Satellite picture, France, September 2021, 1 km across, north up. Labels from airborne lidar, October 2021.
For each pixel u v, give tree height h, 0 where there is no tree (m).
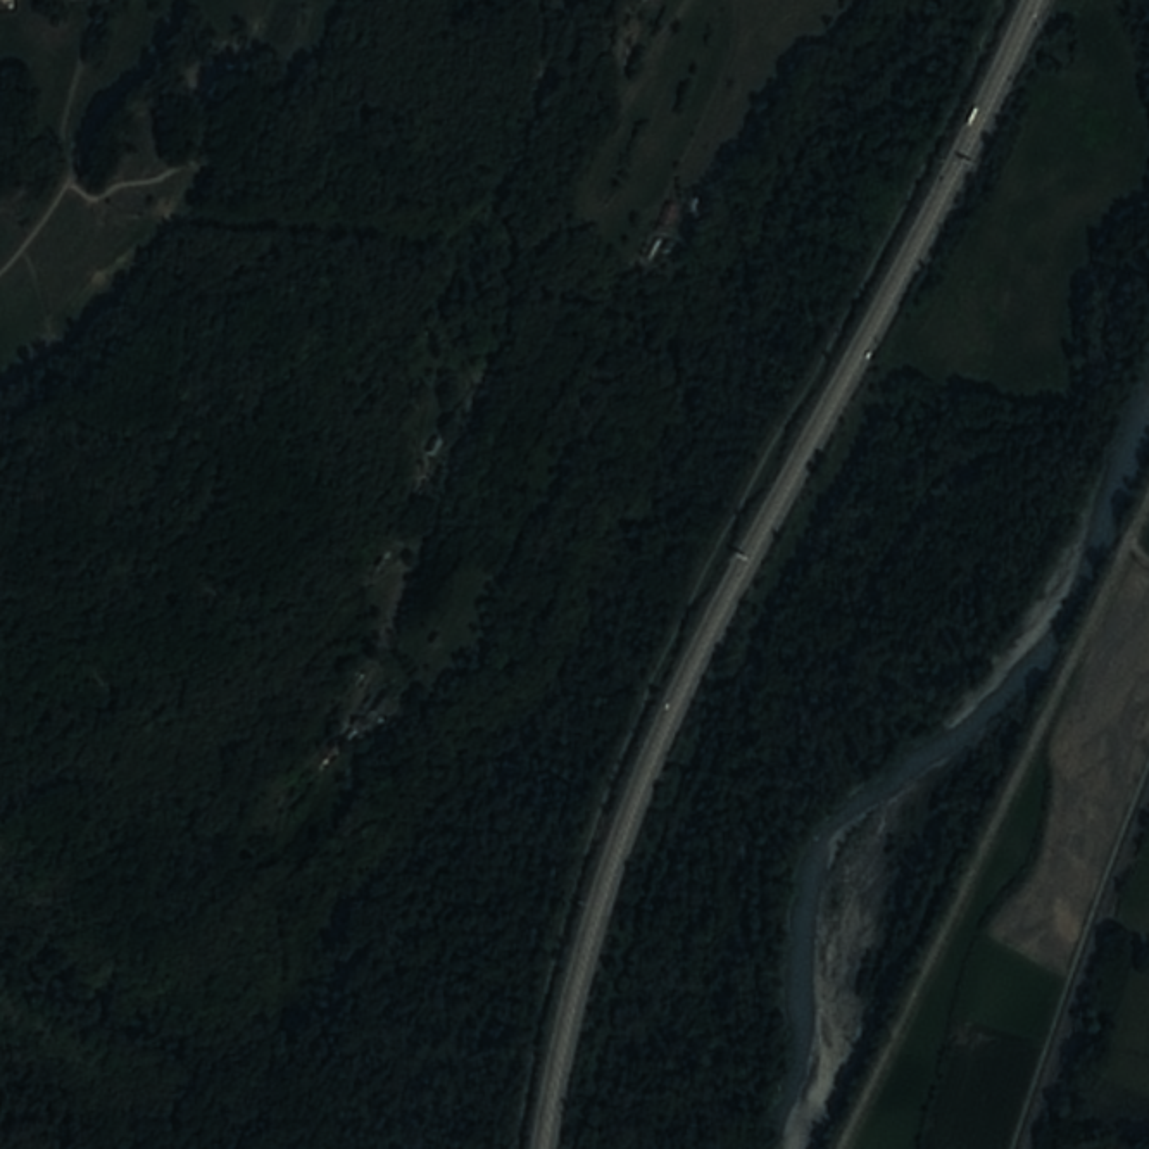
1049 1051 0
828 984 0
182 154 21
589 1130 13
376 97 21
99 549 20
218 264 25
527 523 13
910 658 26
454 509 24
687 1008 16
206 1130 24
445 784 41
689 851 18
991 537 19
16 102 17
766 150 33
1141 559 0
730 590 0
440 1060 26
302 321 19
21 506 16
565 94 27
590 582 21
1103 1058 22
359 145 25
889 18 28
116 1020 30
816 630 19
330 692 19
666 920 21
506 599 25
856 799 0
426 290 23
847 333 6
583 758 13
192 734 22
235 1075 25
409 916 18
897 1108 0
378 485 25
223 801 24
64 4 8
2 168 15
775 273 12
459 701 23
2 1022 12
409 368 24
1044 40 12
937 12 22
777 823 23
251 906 19
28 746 29
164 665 27
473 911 13
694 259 27
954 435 16
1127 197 0
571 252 22
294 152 25
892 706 26
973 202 11
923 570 24
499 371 15
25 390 20
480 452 24
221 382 19
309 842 8
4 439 16
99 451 13
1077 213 0
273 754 25
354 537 27
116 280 0
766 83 0
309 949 6
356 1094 9
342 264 25
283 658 28
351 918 29
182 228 16
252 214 27
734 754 17
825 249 14
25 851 15
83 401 19
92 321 16
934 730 8
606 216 0
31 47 0
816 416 0
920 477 27
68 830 24
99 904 23
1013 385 0
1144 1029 0
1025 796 0
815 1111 0
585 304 9
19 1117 11
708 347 19
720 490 13
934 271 10
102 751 28
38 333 0
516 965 14
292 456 24
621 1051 7
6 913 24
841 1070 0
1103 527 0
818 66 27
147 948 27
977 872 0
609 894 0
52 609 19
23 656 23
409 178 21
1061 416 21
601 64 24
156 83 21
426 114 24
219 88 26
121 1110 24
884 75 21
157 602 27
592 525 24
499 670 32
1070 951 0
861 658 17
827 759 17
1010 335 0
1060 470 25
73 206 0
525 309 22
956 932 0
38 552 21
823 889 0
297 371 21
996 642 28
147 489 19
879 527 20
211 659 30
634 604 11
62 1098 24
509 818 14
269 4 0
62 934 18
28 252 0
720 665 13
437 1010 22
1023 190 0
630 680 12
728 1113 11
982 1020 0
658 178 0
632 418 26
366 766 19
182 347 18
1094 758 0
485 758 13
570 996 0
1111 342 32
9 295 0
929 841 8
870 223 14
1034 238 0
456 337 22
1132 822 0
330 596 23
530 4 19
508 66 20
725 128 0
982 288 0
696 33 0
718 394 19
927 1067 0
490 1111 22
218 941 20
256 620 27
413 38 22
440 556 26
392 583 0
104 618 22
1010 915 0
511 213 28
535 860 12
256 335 19
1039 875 0
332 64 18
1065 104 0
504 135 27
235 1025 24
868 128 20
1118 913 0
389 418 26
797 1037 0
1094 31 0
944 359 0
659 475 24
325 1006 14
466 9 8
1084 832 0
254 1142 24
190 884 23
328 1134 19
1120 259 19
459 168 26
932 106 7
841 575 19
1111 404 26
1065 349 0
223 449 26
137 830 27
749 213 37
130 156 15
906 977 22
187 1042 22
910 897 16
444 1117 23
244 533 28
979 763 12
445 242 8
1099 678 0
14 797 22
